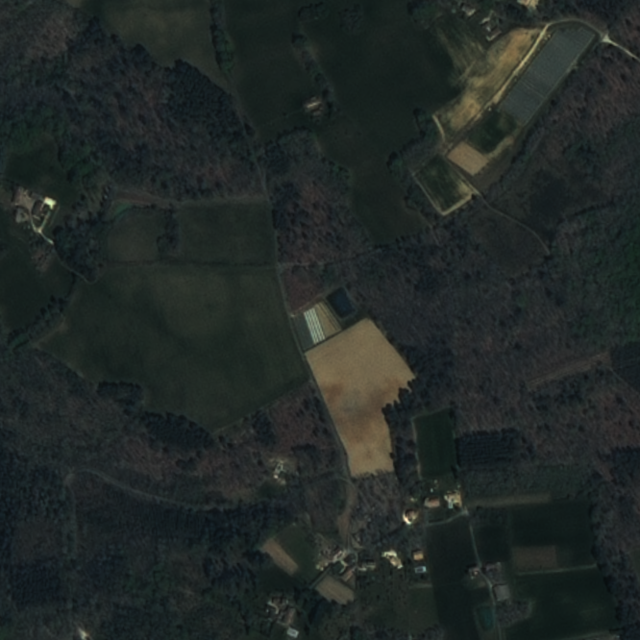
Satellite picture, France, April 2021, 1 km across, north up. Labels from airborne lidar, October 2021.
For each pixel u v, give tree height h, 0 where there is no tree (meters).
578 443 9
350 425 0
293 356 0
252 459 9
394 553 14
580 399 15
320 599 17
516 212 0
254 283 0
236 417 0
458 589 0
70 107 24
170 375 0
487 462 17
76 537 12
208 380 0
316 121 8
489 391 10
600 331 15
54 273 0
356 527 17
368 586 7
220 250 0
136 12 0
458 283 13
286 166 16
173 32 0
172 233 8
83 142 16
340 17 9
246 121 11
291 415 7
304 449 7
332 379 0
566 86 9
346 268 17
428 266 13
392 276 17
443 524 0
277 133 0
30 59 11
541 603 0
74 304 0
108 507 10
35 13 16
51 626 22
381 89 0
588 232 14
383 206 0
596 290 18
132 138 14
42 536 15
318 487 18
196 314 0
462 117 0
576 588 0
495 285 16
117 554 12
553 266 15
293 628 0
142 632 24
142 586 15
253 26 0
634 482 26
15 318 0
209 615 6
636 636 18
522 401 10
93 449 9
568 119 11
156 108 9
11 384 16
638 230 23
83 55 23
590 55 13
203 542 20
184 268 0
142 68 21
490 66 0
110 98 20
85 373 0
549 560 0
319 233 9
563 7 14
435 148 13
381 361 0
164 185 15
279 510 10
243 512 18
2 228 0
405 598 6
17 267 0
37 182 0
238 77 0
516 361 16
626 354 9
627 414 8
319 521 15
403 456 17
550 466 16
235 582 25
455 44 0
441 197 0
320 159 10
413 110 0
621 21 15
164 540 11
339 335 0
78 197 0
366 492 18
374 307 12
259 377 0
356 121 0
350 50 0
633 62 11
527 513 0
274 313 0
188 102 20
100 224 14
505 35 0
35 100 24
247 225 0
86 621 23
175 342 0
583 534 0
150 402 0
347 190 13
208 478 10
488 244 0
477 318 15
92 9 0
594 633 0
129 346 0
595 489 9
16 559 16
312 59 20
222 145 18
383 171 0
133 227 0
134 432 18
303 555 0
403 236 0
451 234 15
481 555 0
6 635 24
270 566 13
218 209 0
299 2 0
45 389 19
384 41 0
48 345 0
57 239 14
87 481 10
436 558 0
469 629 0
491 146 0
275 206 10
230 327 0
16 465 20
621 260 21
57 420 14
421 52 0
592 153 18
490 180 0
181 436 17
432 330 15
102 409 18
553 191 0
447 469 0
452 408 11
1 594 21
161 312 0
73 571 14
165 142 11
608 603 0
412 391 18
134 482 18
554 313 16
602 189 9
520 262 0
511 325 17
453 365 12
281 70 0
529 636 0
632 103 15
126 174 27
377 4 0
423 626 0
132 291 0
